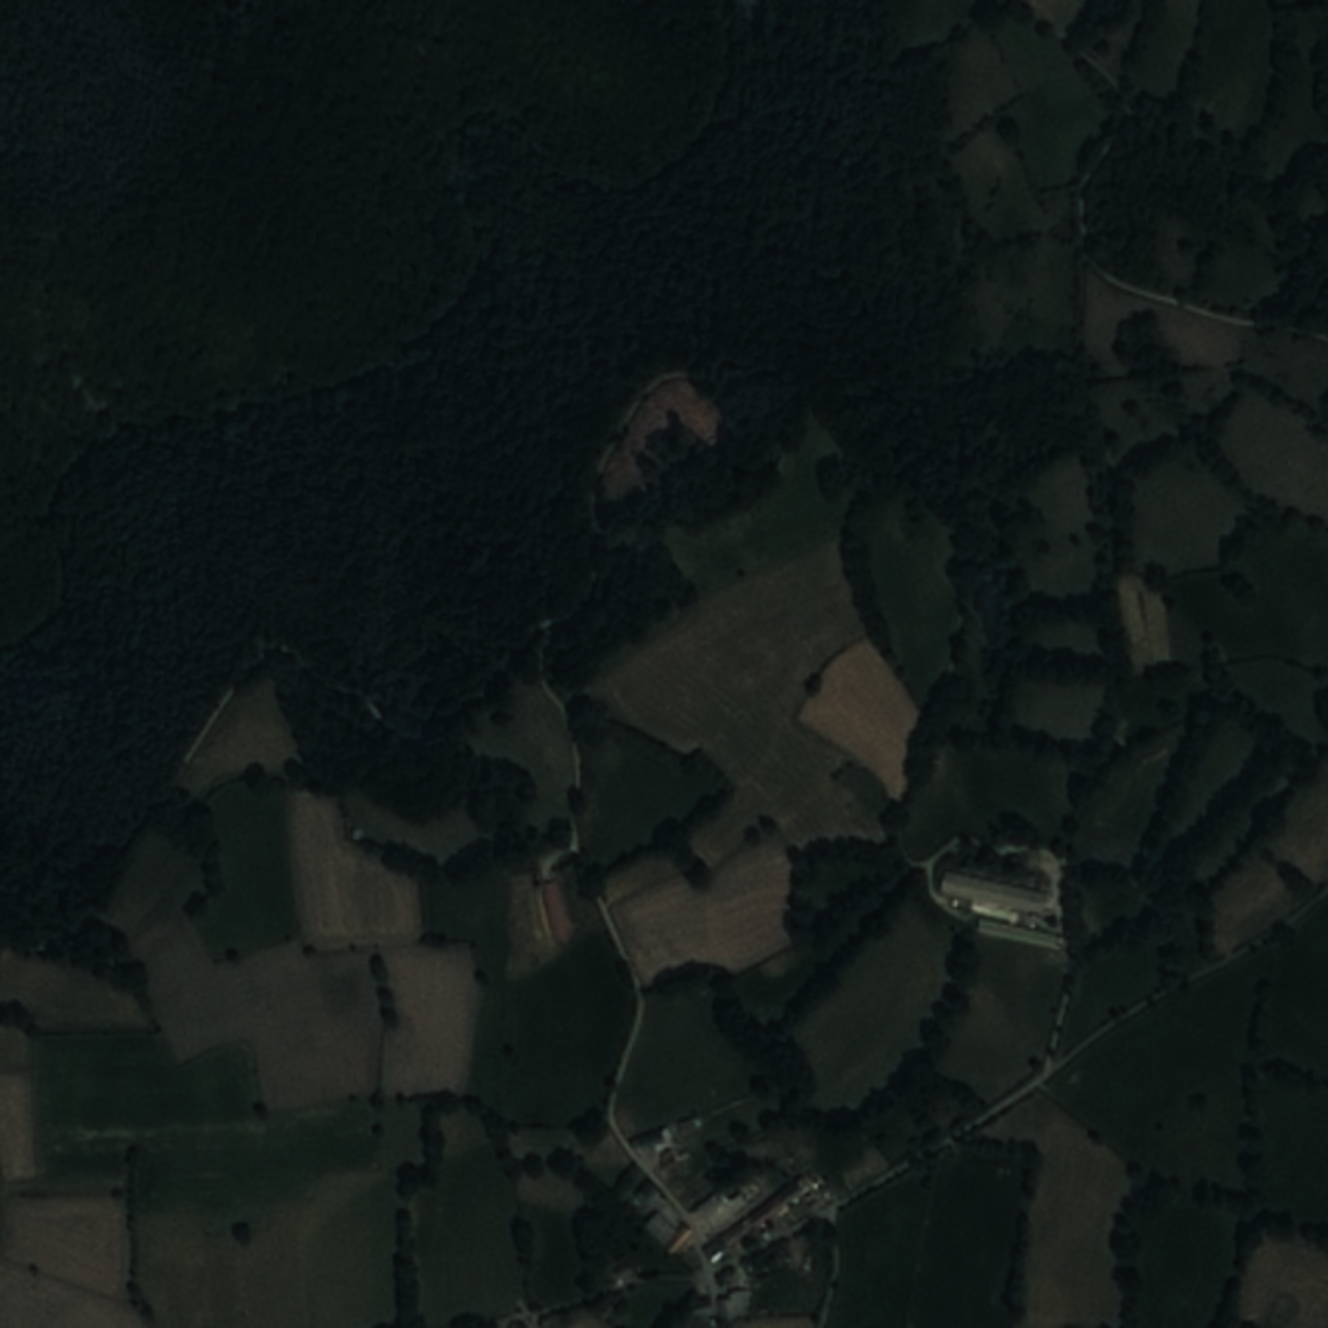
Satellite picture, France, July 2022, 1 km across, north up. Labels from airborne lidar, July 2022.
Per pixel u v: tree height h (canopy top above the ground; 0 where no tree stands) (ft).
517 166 75
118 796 57
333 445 64
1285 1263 0
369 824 0
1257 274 0
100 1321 0
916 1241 0
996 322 0
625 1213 22
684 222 56
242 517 57
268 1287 0
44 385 36
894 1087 48
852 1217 0
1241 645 0
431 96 59
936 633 0
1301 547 0
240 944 0
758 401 95
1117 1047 0
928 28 0
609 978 0
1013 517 73
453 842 0
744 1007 57
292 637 47
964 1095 55
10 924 60
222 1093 0
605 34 66
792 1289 0
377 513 54
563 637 65
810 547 0
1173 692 0
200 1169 0
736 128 52
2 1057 0
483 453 68
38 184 63
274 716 0
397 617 69
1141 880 56
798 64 66
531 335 43
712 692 0
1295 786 51
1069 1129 0
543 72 47
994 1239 0
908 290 51
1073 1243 0
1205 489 0
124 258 54
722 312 70
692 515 54
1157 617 0
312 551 75
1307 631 0
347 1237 0
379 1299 0
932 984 0
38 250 33
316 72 71
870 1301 0
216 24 58
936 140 40
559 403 53
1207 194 87
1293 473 0
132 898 0
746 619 0
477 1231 0
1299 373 0
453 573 83
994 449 41
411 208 63
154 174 73
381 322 74
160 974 0
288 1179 0
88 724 46
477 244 40
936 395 77
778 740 0
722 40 58
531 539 72
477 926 0
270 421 64
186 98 80
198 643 45
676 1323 61
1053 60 0
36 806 59
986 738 22
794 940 64
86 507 46
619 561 62
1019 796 0
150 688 66
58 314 44
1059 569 0
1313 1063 0
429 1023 0
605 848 0
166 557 41
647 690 0
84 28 76
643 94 56
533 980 0
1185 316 0
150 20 71
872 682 0
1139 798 0
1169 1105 0
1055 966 0
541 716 0
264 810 0
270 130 60
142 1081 0
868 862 58
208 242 56
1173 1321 0
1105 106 30
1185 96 45
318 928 0
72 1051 0
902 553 0
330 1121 0
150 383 48
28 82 64
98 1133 0
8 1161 0
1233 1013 0
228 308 45
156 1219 0
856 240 66
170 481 59
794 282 77
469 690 43
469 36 63
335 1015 0
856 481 55
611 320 63
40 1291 0
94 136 93
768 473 67
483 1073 0
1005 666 22
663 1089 0
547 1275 0
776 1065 78
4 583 60
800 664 0
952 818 0
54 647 58
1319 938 0
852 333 71
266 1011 0
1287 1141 0
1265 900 0
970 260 20
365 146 71
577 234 65
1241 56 0
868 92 60
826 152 50
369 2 60
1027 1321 0
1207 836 67
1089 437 42
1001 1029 0
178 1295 0
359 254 57
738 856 0
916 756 56
